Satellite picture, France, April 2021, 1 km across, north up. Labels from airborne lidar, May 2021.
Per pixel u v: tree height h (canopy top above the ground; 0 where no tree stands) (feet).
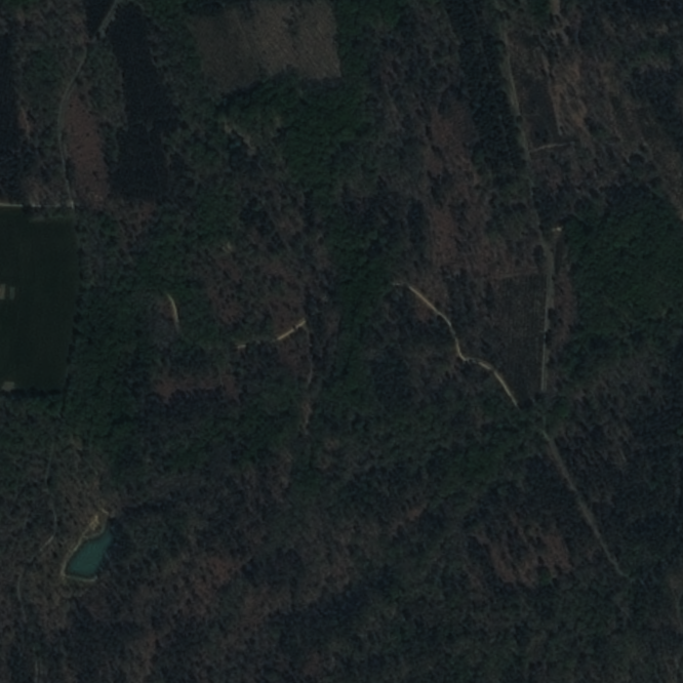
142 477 51
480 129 61
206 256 20
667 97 105
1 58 28
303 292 33
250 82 37
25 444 50
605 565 34
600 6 49
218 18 35
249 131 76
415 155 38
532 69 0
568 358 39
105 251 33
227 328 52
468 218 19
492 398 40
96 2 32
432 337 77
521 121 37
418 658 93
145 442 34
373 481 40
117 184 31
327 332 68
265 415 40
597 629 36
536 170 52
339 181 57
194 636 79
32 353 0
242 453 30
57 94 49
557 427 42
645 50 64
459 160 21
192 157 56
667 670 52
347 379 62
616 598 44
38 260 0
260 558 43
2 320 0
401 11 73
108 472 42
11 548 31
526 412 62
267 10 73
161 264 59
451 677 78
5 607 37
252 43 64
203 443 33
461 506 47
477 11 35
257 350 32
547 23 80
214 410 65
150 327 50
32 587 31
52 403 24
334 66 78
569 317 27
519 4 55
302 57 83
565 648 51
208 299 40
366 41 55
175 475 28
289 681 54
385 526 85
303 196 37
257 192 30
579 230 51
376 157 40
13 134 31
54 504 25
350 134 34
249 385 51
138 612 24
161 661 48
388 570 27
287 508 47
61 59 51
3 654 35
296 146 87
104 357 58
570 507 86
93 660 64
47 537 40
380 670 82
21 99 42
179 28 55
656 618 48
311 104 69
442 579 38
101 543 0
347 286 48
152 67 32
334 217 53
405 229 80
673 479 59
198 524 39
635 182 59
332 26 80
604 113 48
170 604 34
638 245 52
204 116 56
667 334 54
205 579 45
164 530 30
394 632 32
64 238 0
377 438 27
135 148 29
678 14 76
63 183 41
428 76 72
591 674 22
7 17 46
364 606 85
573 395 60
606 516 66
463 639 47
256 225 62
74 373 39
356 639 70
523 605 44
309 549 39
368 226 52
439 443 25
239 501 29
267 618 28
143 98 28
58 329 0
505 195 45
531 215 42
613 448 52
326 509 41
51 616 33
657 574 35
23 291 0
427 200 37
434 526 89
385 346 72
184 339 39
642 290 56
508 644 52
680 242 57
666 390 52
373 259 71
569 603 39
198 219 46
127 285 46
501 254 34
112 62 36
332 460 53
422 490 42
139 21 31
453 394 54
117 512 42
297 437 40
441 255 24
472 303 33
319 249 49
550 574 55
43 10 47
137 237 23
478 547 69
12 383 0
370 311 46
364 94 79
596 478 74
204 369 78
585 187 34
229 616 49
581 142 49
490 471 40
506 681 52
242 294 43
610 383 44
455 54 62
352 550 37
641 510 66
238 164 85
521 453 49
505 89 50
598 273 72
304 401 53
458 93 59
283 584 62
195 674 33
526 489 44
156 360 49
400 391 88
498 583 78
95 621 55
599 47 50
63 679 68
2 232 0
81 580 0
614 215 46
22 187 61
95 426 69
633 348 47
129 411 43
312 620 59
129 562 22
